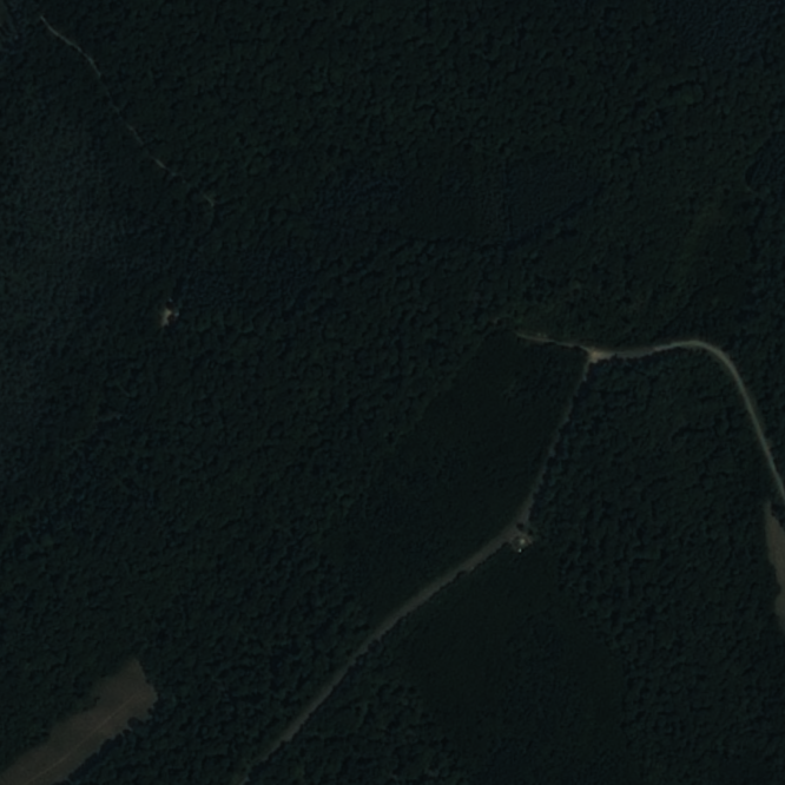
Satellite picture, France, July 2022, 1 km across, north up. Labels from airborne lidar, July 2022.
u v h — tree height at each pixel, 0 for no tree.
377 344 27
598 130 28
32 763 0
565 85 26
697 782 17
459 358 27
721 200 6
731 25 28
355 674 21
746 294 9
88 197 15
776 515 14
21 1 25
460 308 28
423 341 32
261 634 29
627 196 18
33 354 18
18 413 13
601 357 0
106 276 20
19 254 18
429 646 14
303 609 20
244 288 29
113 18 26
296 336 25
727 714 23
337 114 24
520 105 27
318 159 23
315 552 24
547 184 17
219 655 21
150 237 25
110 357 17
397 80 27
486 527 8
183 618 21
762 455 15
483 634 10
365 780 27
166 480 24
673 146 24
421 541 13
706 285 8
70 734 0
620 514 28
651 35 31
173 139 30
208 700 27
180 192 27
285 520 22
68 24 24
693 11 28
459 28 26
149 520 22
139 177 27
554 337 6
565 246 27
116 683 0
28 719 23
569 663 14
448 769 22
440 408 14
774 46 32
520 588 11
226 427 24
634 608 9
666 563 21
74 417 25
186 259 22
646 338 15
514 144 26
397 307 29
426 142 26
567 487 22
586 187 15
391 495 15
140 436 33
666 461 20
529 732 14
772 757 12
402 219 16
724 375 23
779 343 21
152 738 26
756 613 22
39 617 22
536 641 14
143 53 28
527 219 20
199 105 26
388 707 27
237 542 23
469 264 36
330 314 29
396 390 30
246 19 30
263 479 26
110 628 20
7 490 20
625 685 12
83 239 9
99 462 26
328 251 32
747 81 30
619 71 28
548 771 13
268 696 29
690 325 13
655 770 22
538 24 32
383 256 30
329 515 25
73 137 11
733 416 27
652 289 8
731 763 22
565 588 23
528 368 13
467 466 15
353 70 26
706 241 9
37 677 29
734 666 28
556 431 10
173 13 27
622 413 26
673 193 18
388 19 27
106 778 28
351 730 30
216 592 22
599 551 20
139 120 27
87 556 26
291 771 26
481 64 28
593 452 25
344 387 28
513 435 12
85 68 20
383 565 13
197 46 29
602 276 26
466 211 18
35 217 16
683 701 24
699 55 30
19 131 11
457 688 8
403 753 21
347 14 29
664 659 24
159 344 21
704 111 24
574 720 11
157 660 23
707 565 30
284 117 29
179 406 24
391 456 13
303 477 26
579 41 31
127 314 27
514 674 9
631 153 31
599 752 16
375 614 12
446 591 10
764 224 30
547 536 22
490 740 10
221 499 22
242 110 30
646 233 20
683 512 23
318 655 28
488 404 9
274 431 25
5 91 26
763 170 27
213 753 27
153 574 23
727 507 30
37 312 14
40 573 31
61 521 28
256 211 24
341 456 24
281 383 24
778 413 26
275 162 25
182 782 29
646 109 28
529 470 10
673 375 24
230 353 26
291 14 30
